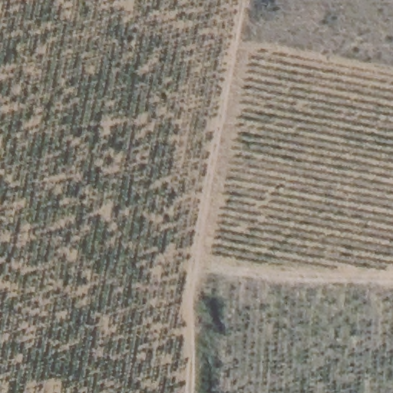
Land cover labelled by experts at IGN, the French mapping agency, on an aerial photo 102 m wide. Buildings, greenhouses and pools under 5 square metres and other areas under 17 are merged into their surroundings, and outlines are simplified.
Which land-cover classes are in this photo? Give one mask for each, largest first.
<instances>
[{"label":"vineyard","instance_id":"1","mask_svg":"<svg viewBox=\"0 0 393 393\"><path fill-rule=\"evenodd\" d=\"M238 0H0V393H184L183 387L186 382L167 378V372L186 370L187 364V358L181 355L183 336L173 335V330L186 327V321L180 316V309L187 273L180 269V266L190 259V253H184V247L193 244L209 158V150L203 146L213 138L206 124L212 118L218 117L220 95L223 92L221 86L226 69L218 66V61L220 55L227 54V49L232 43L233 17L236 15ZM241 40L279 43L287 48L318 52L327 58L322 61L286 52H272L269 49H258L255 55H250L247 66L249 77L244 78V88L241 92V104H244V109L241 115H238L236 126L239 134L232 146L235 157L229 161L227 178L224 180V195H227V200L221 207L218 230L212 244V255L238 259L246 263L267 264L278 267L282 272L289 270V267L336 270L339 264L375 270H387L388 266H393V0H250V8L247 9L241 29ZM196 290L200 295L206 293L212 298L223 299L221 321L224 324V335L218 344L223 364L218 375L220 382L213 390L232 393H393V289L379 284L353 282H327L313 287L304 282L275 284L266 279H253L249 276H238L236 281L232 282L229 276L210 273L206 279L198 281Z\"/></svg>","mask_w":393,"mask_h":393},{"label":"plowed land","instance_id":"2","mask_svg":"<svg viewBox=\"0 0 393 393\"><path fill-rule=\"evenodd\" d=\"M250 8V0H238L236 15L233 17L232 43L227 49V54L220 55L218 61V66L226 69L221 86L223 92L220 95L218 117L212 118L206 124L213 138L203 146L209 150V158L193 244L184 247V253H190V259L180 266V269L187 273L180 309V316L186 321V327L173 330V335L183 336L181 355L187 358V364L186 370L167 372V378L186 382L183 387L184 393H196L195 336L200 332V327L195 324L193 304L200 295L196 290L198 281L206 279L210 273L229 276L232 282L236 281L238 276H249L253 279H266L275 284L304 282L313 287L327 282H353L379 284L393 289V266H388L387 270H375L339 264L336 270L289 267V270L282 272L278 267L267 264L246 263L238 259L212 255V244L218 230L221 207L227 200V195H224V180L227 178L229 161L235 157L232 146L239 134L236 126L238 115H241L244 109V104H241V92L244 88V78L249 77L247 66L250 55H255L258 49H269L272 52H286L322 61L327 58L318 52L287 48L279 43L241 40V29L247 9Z\"/></svg>","mask_w":393,"mask_h":393},{"label":"brushwood","instance_id":"3","mask_svg":"<svg viewBox=\"0 0 393 393\"><path fill-rule=\"evenodd\" d=\"M195 324L200 327V332L195 336L196 393H232L213 390L220 382L218 375L223 364L218 344L224 335V324L221 321L223 299L212 298L206 293L200 295L193 304Z\"/></svg>","mask_w":393,"mask_h":393}]
</instances>
